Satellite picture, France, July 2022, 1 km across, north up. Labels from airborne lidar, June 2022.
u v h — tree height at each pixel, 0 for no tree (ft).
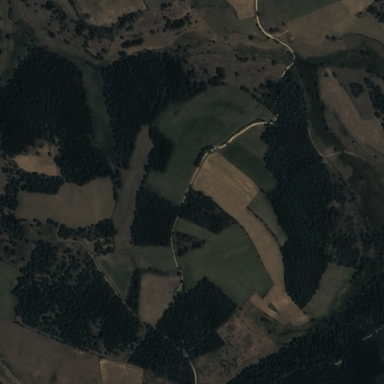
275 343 0
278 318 0
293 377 46
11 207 48
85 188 0
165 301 0
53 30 0
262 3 0
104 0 0
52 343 0
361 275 35
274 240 0
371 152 0
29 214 0
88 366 0
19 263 0
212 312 40
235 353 0
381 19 33
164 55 55
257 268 0
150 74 58
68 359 0
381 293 35
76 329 49
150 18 0
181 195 0
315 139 0
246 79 0
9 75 0
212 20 0
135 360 39
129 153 41
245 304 0
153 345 32
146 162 0
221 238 0
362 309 24
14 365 0
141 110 54
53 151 0
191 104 0
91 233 39
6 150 42
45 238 0
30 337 0
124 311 46
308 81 0
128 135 45
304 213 46
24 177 45
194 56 0
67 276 38
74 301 62
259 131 0
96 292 38
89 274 49
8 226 66
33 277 47
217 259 0
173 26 49
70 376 0
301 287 57
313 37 0
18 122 54
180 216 41
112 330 53
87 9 0
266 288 0
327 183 44
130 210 0
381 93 35
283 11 0
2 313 0
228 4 0
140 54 57
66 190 0
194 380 0
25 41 0
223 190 0
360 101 0
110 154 0
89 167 44
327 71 0
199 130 0
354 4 0
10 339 0
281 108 62
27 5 41
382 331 26
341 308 0
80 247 0
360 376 36
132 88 59
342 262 37
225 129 0
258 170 0
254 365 43
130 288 29
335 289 0
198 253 0
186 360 56
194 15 0
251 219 0
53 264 34
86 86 0
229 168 0
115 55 0
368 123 0
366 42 0
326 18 0
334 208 48
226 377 0
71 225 0
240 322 0
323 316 0
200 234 0
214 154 0
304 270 61
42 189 39
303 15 0
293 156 54
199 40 0
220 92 0
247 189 0
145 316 0
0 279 0
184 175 0
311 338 37
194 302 63
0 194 0
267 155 61
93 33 35
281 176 54
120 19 41
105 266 0
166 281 0
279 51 0
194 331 65
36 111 58
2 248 0
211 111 0
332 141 0
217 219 23
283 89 82
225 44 0
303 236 55
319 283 31
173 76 49
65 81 62
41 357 0
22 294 42
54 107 40
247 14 0
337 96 0
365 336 27
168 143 26
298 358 25
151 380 0
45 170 0
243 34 0
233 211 0
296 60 24
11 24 0
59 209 0
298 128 49
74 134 59
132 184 0
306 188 59
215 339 62
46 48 24
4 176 0
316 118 0
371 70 31
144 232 50
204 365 0
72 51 0
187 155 0
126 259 0
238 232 0
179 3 0
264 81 0
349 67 0
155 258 0
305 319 0
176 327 47
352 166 0
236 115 0
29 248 0
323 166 36
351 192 33
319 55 0
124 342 52
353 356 41
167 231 26
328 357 80
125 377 0
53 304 60
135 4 0
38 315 48
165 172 0
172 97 52
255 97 67
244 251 0
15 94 41
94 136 36
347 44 0
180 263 0
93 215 0
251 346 0
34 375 0
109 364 0
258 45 0
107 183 0
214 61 0
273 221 0
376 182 0
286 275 46
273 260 0
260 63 0
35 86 50
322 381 37
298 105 62
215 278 0
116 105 43
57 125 40
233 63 0
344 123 0
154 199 43
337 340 23
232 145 0
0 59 0
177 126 0
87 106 60
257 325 0
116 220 0
